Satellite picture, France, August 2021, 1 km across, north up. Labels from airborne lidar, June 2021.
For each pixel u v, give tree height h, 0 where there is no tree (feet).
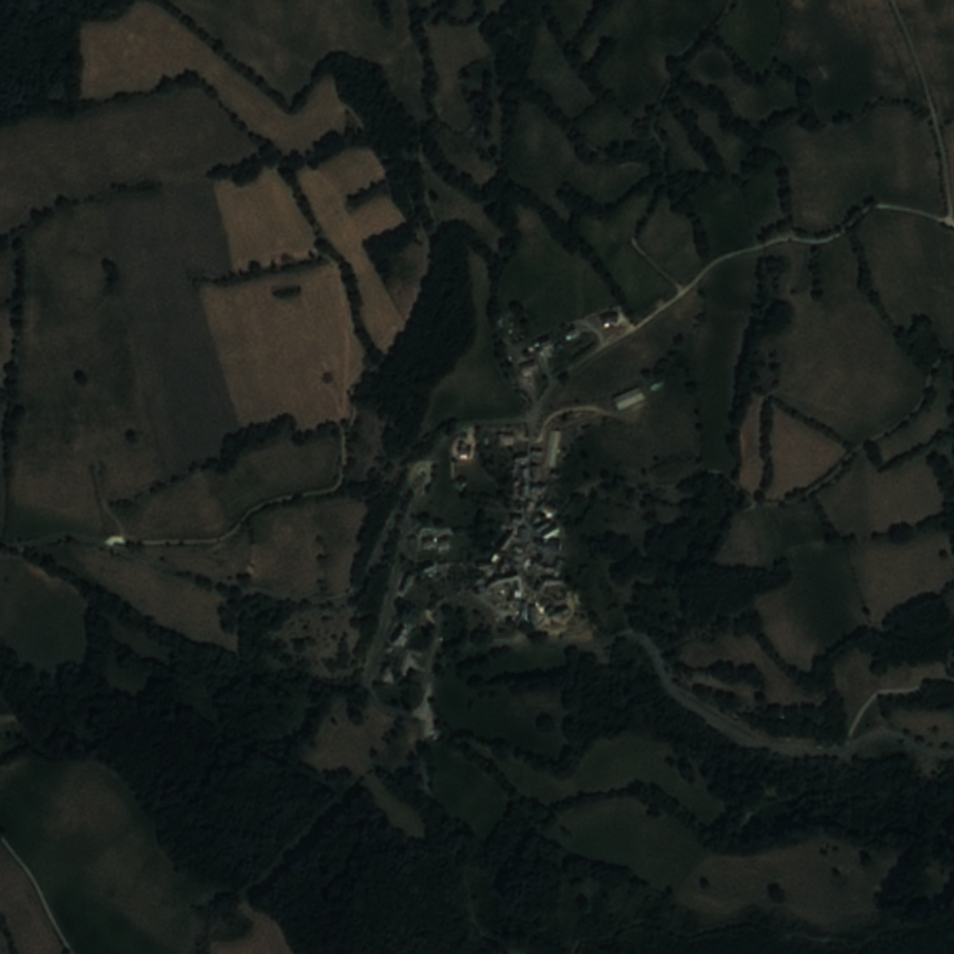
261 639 40
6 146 0
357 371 0
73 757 46
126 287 0
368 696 55
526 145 0
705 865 0
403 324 0
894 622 30
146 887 0
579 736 49
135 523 0
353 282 55
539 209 31
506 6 27
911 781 53
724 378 0
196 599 0
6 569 0
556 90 0
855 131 0
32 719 58
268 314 0
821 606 0
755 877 0
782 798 107
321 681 24
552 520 23
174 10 29
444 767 0
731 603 53
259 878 50
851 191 0
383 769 34
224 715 43
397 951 55
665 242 0
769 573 24
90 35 0
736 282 0
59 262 0
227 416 0
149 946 0
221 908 37
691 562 26
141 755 32
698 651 0
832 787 43
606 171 0
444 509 0
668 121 0
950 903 56
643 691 41
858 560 0
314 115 0
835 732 43
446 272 50
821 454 0
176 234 0
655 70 0
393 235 44
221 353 0
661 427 0
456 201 0
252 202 0
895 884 56
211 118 0
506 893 98
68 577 32
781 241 0
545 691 48
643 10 0
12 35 67
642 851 0
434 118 25
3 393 18
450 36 0
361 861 81
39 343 0
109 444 0
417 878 66
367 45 0
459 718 0
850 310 0
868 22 0
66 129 0
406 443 33
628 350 0
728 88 0
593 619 36
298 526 0
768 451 24
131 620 53
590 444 0
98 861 0
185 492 0
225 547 0
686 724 49
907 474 0
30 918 0
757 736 0
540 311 0
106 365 0
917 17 0
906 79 0
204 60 0
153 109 0
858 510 0
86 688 68
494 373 0
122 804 0
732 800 49
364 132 38
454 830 47
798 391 0
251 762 84
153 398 0
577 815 0
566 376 30
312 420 0
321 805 77
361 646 26
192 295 0
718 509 0
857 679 0
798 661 0
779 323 46
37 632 0
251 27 0
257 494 0
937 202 0
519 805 38
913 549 0
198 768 44
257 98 0
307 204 43
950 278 0
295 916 64
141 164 0
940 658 40
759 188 0
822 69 0
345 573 0
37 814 0
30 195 0
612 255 0
